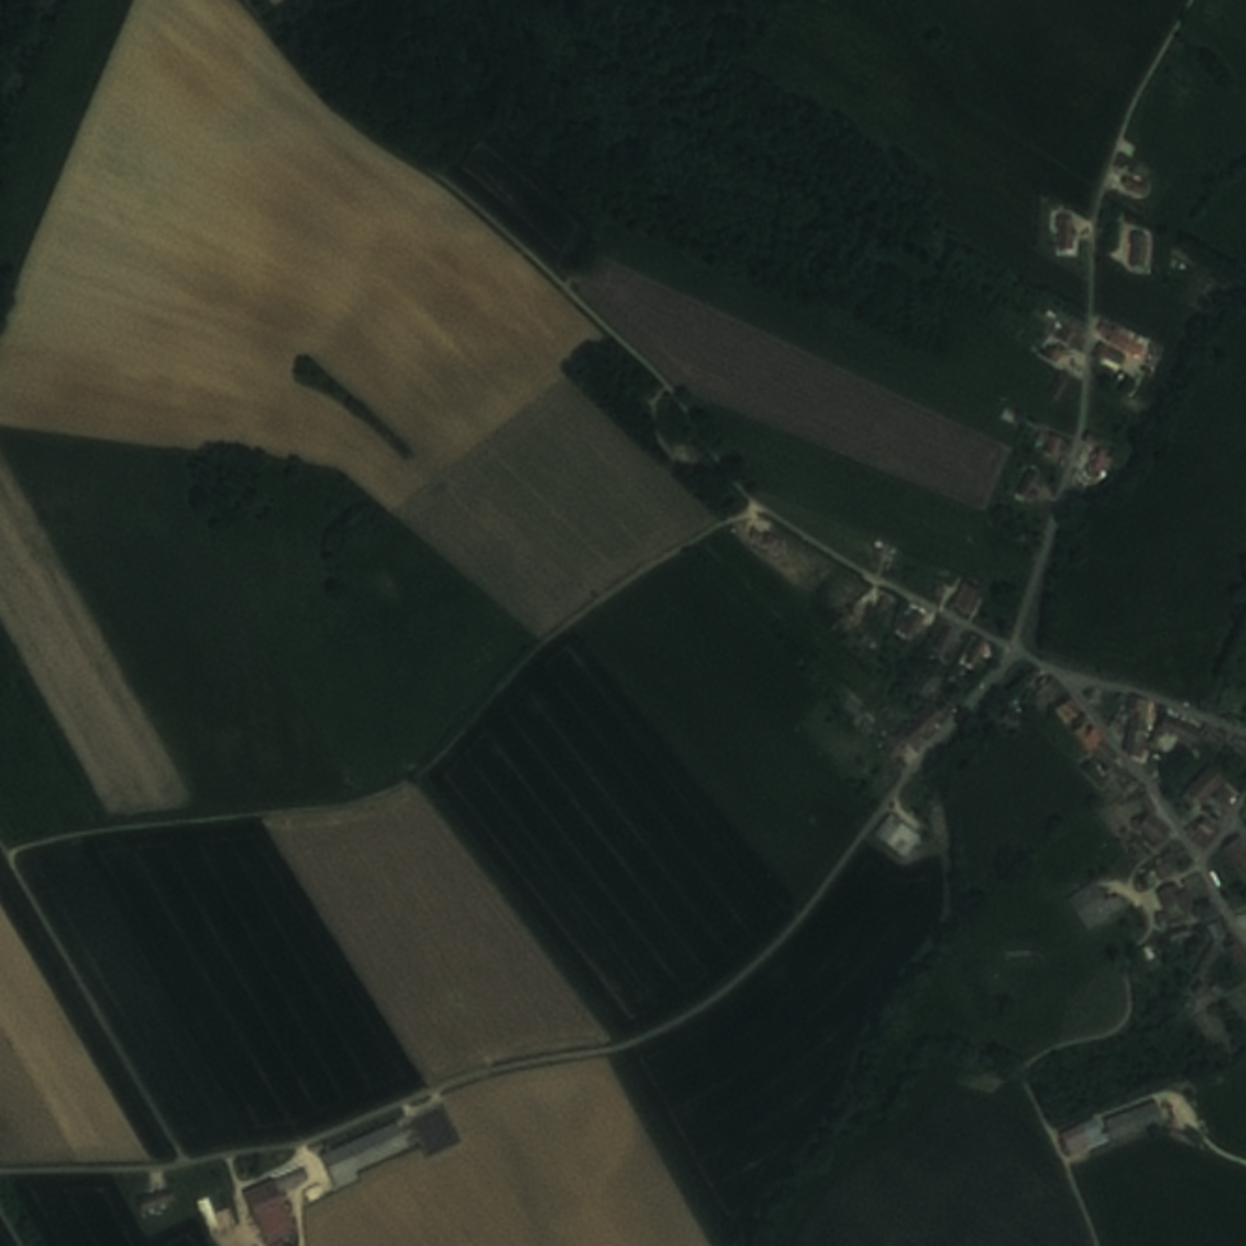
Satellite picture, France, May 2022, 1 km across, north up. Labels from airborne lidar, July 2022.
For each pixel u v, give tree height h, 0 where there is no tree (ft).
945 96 0
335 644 0
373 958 0
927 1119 0
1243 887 22
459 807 0
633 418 63
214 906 0
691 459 0
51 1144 0
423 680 0
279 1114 0
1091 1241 0
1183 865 18
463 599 0
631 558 0
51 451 0
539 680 0
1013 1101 0
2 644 19
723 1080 0
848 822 0
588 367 61
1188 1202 0
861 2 0
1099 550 0
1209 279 0
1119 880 0
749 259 32
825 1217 0
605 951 0
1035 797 0
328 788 0
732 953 0
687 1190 0
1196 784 0
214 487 57
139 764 0
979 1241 0
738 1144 0
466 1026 0
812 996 0
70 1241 0
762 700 0
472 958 0
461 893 0
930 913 0
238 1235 0
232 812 0
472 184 0
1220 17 0
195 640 0
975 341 0
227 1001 0
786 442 0
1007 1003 48
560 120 69
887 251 84
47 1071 0
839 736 0
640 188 76
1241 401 0
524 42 92
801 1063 0
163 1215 0
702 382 0
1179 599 0
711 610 0
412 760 0
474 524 0
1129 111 0
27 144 0
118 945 0
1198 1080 52
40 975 0
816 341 0
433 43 100
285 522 0
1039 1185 0
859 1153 0
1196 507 0
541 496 0
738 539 0
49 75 0
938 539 0
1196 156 0
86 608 0
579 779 0
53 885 0
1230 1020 21
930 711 0
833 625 0
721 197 87
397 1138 0
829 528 0
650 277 0
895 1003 67
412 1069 0
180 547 0
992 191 0
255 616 0
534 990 0
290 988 0
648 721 0
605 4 64
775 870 0
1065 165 0
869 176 91
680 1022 0
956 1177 0
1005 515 27
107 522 0
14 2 94
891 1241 0
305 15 87
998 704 41
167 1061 0
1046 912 0
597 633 0
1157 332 0
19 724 0
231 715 0
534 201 0
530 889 0
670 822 0
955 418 0
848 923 0
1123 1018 0
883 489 0
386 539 0
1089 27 0
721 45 75
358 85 87
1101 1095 21
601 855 0
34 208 0
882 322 59
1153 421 64
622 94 66
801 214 71
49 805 0
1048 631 48
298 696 0
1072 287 0
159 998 0
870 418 0
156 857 0
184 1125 0
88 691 0
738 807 0
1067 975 0
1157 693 0
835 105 0
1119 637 0
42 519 0
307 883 0
